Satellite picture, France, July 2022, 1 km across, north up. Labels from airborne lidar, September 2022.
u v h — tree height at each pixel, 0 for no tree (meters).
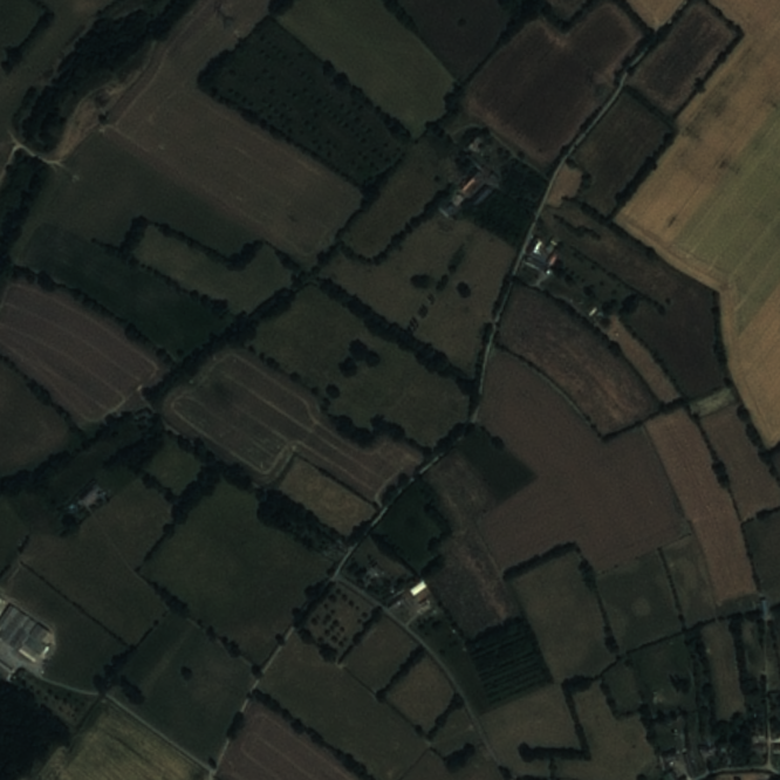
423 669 0
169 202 0
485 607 0
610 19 0
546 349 0
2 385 0
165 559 0
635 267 0
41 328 0
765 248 0
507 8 18
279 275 0
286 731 0
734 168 0
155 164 0
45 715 20
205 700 0
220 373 0
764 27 0
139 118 0
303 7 0
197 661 0
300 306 0
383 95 0
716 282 0
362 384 0
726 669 0
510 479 0
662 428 0
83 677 0
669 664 0
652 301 6
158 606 0
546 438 0
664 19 0
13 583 0
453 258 0
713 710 8
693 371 0
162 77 0
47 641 0
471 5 0
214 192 0
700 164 0
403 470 0
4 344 0
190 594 0
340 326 0
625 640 0
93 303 11
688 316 0
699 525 0
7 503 0
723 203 0
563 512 0
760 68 0
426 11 0
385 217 0
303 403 0
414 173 0
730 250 0
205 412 0
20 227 14
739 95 0
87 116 0
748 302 0
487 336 8
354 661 0
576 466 0
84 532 0
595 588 13
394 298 0
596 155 0
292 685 0
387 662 0
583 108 0
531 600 0
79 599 0
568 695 11
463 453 0
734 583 0
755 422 0
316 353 0
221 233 0
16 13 0
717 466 12
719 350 12
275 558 0
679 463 0
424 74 0
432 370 13
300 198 0
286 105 7
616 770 0
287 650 0
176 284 12
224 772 0
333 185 0
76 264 0
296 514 12
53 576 0
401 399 0
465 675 0
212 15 0
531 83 0
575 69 0
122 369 0
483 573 0
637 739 0
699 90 14
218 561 0
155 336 0
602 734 0
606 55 0
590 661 0
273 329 0
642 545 0
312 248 0
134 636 0
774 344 0
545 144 0
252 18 0
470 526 0
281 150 0
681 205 0
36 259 0
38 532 0
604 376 0
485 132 11
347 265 0
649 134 0
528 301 0
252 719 0
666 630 0
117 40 14
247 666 0
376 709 0
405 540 0
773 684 0
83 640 0
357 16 0
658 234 0
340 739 0
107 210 0
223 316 22
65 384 0
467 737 0
